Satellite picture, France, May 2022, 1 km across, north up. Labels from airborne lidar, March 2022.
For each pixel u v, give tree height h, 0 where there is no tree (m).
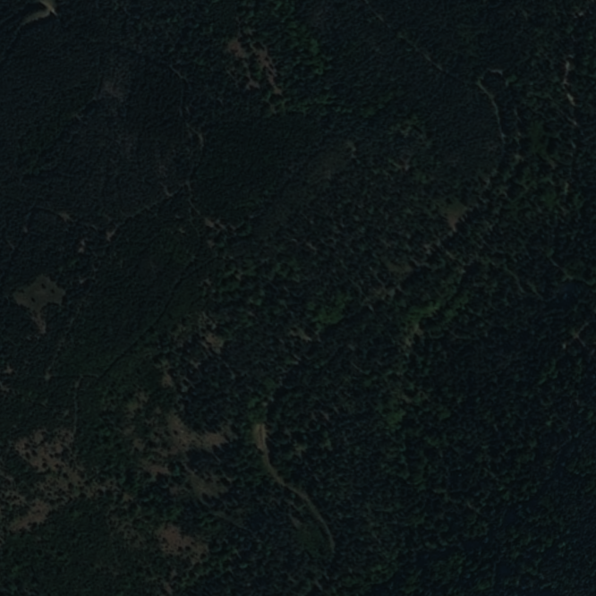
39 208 13
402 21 25
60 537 7
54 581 7
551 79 32
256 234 20
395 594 24
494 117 22
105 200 16
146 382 9
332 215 22
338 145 22
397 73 25
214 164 14
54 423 8
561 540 22
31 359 9
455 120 20
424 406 32
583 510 24
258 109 11
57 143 14
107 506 7
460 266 21
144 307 16
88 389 8
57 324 14
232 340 26
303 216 26
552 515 29
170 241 14
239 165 10
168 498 33
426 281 33
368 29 27
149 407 6
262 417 28
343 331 27
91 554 6
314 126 12
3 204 17
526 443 24
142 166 22
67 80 17
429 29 22
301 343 28
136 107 25
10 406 7
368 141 16
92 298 8
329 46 25
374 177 31
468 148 24
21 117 23
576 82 31
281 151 13
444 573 28
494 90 24
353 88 23
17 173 17
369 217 24
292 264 24
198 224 10
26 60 23
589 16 30
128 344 14
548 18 32
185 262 8
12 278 17
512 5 30
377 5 23
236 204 10
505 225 33
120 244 10
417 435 26
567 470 26
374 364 21
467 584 32
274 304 28
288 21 26
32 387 8
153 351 28
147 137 24
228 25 9
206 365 31
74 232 16
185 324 19
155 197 18
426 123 24
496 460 23
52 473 10
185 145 13
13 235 13
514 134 25
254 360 21
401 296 27
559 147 33
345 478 22
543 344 34
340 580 15
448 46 21
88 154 13
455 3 28
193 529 16
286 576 12
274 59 8
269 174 12
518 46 18
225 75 15
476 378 40
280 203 20
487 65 25
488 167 19
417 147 12
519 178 33
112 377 7
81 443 8
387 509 12
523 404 30
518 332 11
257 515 7
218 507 19
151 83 25
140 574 14
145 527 15
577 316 9
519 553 21
